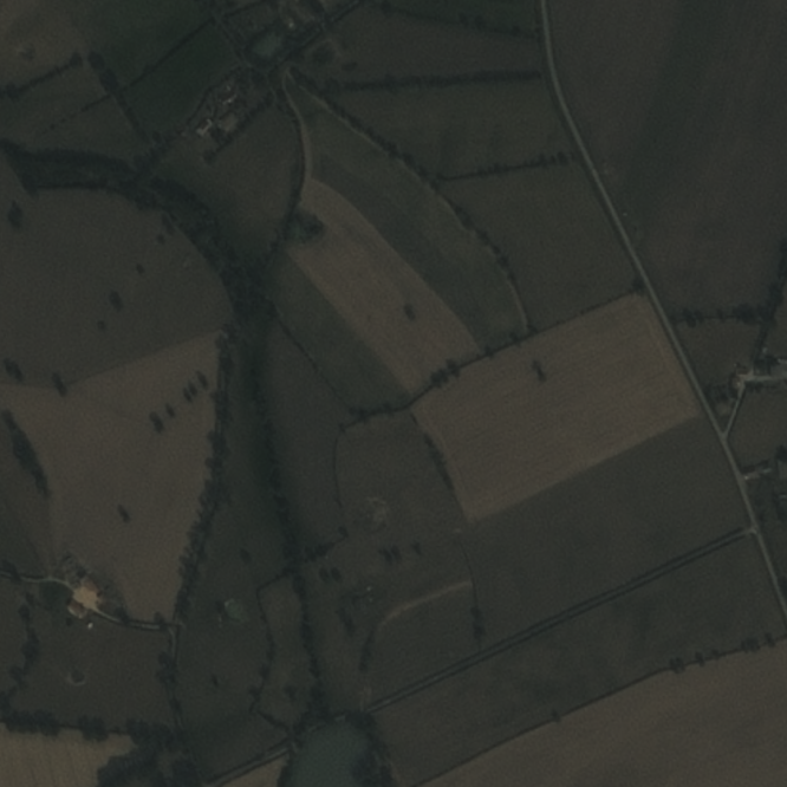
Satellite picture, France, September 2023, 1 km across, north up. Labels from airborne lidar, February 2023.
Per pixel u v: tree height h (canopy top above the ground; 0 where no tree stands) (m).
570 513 0
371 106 0
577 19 0
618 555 0
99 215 0
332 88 13
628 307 0
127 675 0
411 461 0
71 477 0
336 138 0
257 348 0
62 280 0
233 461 0
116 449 0
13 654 0
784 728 0
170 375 0
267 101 9
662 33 0
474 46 0
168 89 0
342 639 0
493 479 0
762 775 0
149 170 16
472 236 0
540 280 0
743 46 0
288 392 0
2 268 0
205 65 0
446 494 0
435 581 0
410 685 0
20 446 18
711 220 0
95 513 0
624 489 0
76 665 0
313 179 0
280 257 0
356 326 0
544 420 0
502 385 0
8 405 0
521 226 0
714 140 0
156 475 0
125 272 0
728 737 0
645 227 0
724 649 0
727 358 0
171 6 0
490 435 0
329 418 0
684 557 0
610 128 0
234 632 0
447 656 0
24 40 0
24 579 0
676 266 0
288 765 7
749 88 0
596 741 0
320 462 0
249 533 0
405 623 0
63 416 0
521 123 0
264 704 0
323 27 12
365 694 0
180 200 16
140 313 0
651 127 0
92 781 0
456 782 0
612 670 0
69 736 0
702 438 0
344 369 0
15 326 0
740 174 0
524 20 0
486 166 0
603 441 0
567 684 0
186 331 0
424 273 0
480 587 0
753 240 0
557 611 0
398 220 0
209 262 17
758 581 0
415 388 0
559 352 0
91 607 0
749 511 0
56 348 0
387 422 0
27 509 0
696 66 0
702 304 0
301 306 0
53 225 0
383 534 0
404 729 0
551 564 0
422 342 0
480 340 0
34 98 0
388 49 0
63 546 0
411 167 12
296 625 0
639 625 0
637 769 0
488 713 0
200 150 0
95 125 0
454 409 0
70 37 0
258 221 0
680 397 0
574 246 0
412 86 11
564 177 0
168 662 15
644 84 0
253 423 0
